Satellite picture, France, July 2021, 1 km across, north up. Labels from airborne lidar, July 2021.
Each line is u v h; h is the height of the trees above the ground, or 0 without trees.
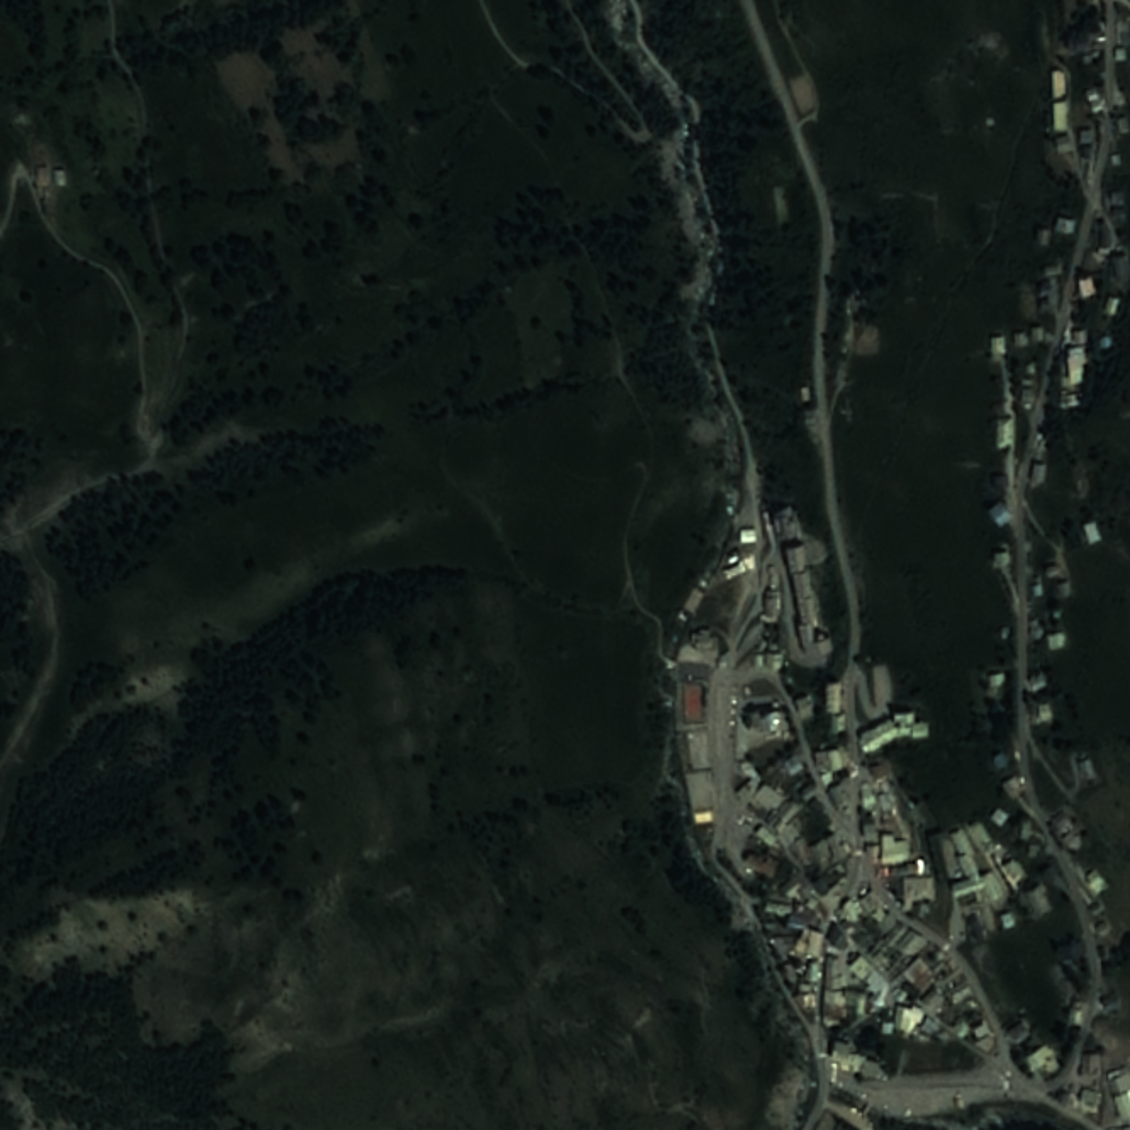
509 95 0
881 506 0
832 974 0
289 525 0
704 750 0
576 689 0
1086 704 0
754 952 9
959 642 0
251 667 16
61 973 10
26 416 0
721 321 8
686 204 0
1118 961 11
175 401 0
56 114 9
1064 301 0
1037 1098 0
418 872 0
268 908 0
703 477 0
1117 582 0
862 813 11
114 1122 14
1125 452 0
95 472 0
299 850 0
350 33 7
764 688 0
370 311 0
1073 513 0
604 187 0
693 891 24
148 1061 12
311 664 15
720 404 10
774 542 0
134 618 0
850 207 0
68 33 8
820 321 0
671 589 0
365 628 22
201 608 0
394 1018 0
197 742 13
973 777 0
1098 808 0
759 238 8
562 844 0
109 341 0
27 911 0
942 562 0
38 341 0
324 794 0
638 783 0
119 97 0
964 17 0
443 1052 0
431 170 0
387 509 0
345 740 0
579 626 0
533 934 0
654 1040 0
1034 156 0
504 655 0
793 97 0
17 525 0
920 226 0
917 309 0
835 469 0
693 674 0
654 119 20
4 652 0
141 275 15
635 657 0
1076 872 0
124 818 18
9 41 0
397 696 0
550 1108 0
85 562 18
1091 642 0
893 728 0
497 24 0
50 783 13
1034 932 0
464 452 0
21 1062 14
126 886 15
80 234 0
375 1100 0
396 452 0
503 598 0
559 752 0
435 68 0
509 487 0
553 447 0
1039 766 0
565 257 17
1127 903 0
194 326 0
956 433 0
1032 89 0
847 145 0
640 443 0
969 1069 0
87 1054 12
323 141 16
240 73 0
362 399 0
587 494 0
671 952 0
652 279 19
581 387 17
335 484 0
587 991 0
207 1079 14
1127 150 0
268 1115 0
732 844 0
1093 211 0
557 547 0
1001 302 0
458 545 0
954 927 0
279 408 15
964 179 0
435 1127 0
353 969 0
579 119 0
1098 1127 0
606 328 6
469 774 0
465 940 0
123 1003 15
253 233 0
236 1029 0
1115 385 11
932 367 0
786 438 7
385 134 6
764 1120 0
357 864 0
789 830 0
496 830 9
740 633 0
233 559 0
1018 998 0
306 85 13
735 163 11
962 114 0
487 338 0
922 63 0
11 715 21
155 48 9
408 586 15
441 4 0
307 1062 0
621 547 0
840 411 0
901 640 0
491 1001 0
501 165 0
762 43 0
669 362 8
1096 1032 0
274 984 0
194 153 0
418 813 0
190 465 0
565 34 26
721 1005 0
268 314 11
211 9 7
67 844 15
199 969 0
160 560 0
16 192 0
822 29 0
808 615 0
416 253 0
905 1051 0
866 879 0
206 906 0
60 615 0
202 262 22
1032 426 0
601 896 0
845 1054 0
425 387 0
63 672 0
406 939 0
